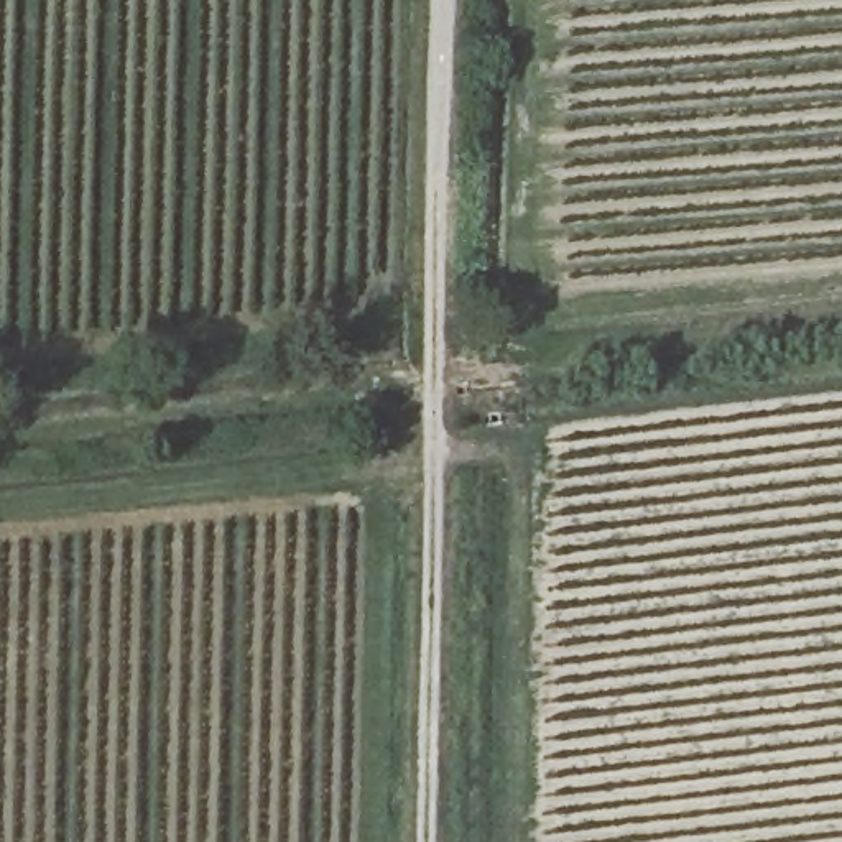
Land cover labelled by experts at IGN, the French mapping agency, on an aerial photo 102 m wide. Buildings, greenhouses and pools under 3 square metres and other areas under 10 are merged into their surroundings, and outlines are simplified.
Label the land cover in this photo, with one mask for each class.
<instances>
[{"label":"vineyard","instance_id":"1","mask_svg":"<svg viewBox=\"0 0 842 842\"><path fill-rule=\"evenodd\" d=\"M431 0H0V329L62 332L66 339H79L82 352L92 355L115 345V339L122 335H148L151 316H181L187 309H204L211 319H237L247 332H273L280 345L299 342L306 352L316 355L319 375L322 382L345 388L359 372H365L362 355L385 349H401L398 362L405 368H418L424 362V178ZM493 89H500L507 95L497 234L500 263L510 270L536 273L543 283L559 289V303L546 316L553 329L641 326H655L658 335L681 332L691 349L701 352H720L724 335H730L750 316L780 319L793 312L812 319L842 312V0H457L454 112L447 164L454 243L447 253V283L457 273L487 270L483 132L490 125ZM171 421L168 408L161 405L141 408L138 401L122 398L109 408L95 398L92 385H79L76 378L72 385L49 391L39 405L36 421L16 431V451H49L62 444L99 447L105 441L132 437L155 441L158 424ZM549 451L566 454L572 467L622 464V470L562 477V470H549L546 464V483H533L530 493H516L510 507V569L530 572L536 582V842H842V391L582 418L549 428ZM362 503L359 497L293 493L201 507H148L122 513L0 523V842H352L359 576L355 507Z\"/></svg>","mask_w":842,"mask_h":842},{"label":"herbaceous vegetation","instance_id":"2","mask_svg":"<svg viewBox=\"0 0 842 842\"><path fill-rule=\"evenodd\" d=\"M507 95L500 89H493L490 125L483 132L487 270L457 273L447 283L444 612L434 842H536V582L530 572L510 569V507L516 493H530L533 483H546V464L549 470H562V477L622 470V464L572 467L566 454L549 451V428L582 418L579 411H556L559 375H569V368L582 359H592V342L625 339L641 326L553 329L546 316L559 303V289L543 283L536 273L510 270L500 263L497 234ZM490 293H497L500 303L510 309V332L503 342L480 345L470 326V312ZM148 335L151 352L164 359L161 375L168 378V391L161 405L168 408L171 421L158 424L155 441L151 467L99 470L49 480L43 477L39 457L33 451H16V431L36 421L39 405L49 391L72 385L76 378L86 365H92V355L82 352L79 339H66L62 332L0 329V368L13 372L20 391L16 408L0 424V523L122 513L148 507H201L293 493L359 497L362 503L355 507L359 576L352 842H401L405 806L398 803V789L408 780L405 760H418L424 434L418 391L424 385V362L418 368H405L398 362L401 349H385L362 355L365 372H359L345 388L322 382L319 375L303 388L257 385L250 375H240L234 368L247 332L237 319H211L204 309H187L181 316H151ZM322 395L335 405L365 401L375 424V457L368 464H335L319 454L316 424L306 414Z\"/></svg>","mask_w":842,"mask_h":842},{"label":"deciduous trees","instance_id":"3","mask_svg":"<svg viewBox=\"0 0 842 842\"><path fill-rule=\"evenodd\" d=\"M470 326L480 345L503 342L510 332V309L500 303L497 293H490L470 312ZM592 359H582L569 368V375H559L556 411H579L582 418L842 391V312L812 319L793 312L780 319L750 316L730 335H724L720 352H701L691 349L681 332L658 335L655 326H641L625 339L592 342ZM234 368L240 375H250L257 385L303 388L319 375L316 355L306 352L299 342L280 345L273 332H247ZM164 359L151 352L148 335H122L115 339V345L92 355V365H86L76 378L79 385H92L95 398L109 408L122 398L138 401L141 408L161 405L168 391V378L161 375ZM20 391L13 372L0 368V424L16 408ZM316 424L319 454L335 464H368L375 457V424L365 401L335 405L322 395L306 414ZM39 457L43 477L49 480L99 470L151 467L155 441L132 437L105 441L99 447L62 444L49 451H33ZM408 780L398 789V803L405 806L401 842H418V760H405Z\"/></svg>","mask_w":842,"mask_h":842},{"label":"pervious surface","instance_id":"4","mask_svg":"<svg viewBox=\"0 0 842 842\"><path fill-rule=\"evenodd\" d=\"M457 0H431L424 178V385L418 391L424 434L418 760V842H434L444 612L447 283V253L454 243L447 164L454 112Z\"/></svg>","mask_w":842,"mask_h":842}]
</instances>
